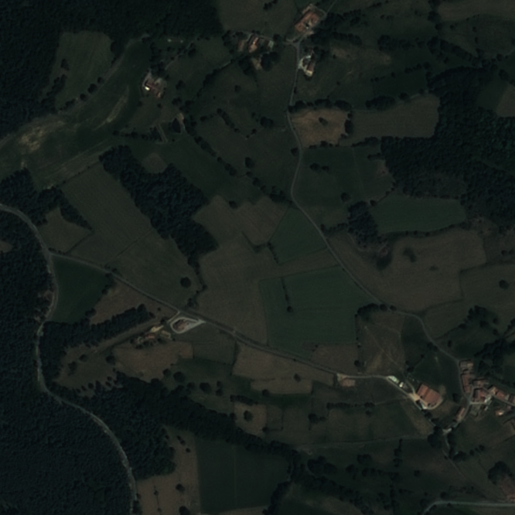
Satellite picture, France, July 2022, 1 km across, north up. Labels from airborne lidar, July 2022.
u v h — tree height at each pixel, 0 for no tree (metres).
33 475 23
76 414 23
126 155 15
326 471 25
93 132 0
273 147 0
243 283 0
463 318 0
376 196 0
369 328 0
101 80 10
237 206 14
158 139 14
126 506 20
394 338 0
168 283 0
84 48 0
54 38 10
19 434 23
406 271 0
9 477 21
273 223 0
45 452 25
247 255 0
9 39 13
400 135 0
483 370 7
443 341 0
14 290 12
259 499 0
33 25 8
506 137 15
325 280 0
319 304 0
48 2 8
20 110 22
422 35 0
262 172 0
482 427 0
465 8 0
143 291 0
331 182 0
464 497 0
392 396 0
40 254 10
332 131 0
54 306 0
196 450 0
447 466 0
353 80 0
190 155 0
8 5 12
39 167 0
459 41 0
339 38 12
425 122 0
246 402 14
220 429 24
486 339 0
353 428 0
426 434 0
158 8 16
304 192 0
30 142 0
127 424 21
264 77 0
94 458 23
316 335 0
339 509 0
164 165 0
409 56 0
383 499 12
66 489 16
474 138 16
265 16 0
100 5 19
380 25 0
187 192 17
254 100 0
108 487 16
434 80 15
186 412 21
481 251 0
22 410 21
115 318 14
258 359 0
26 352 26
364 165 0
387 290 0
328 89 0
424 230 0
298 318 0
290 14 0
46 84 11
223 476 0
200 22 20
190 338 0
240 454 0
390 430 0
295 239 0
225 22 0
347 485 0
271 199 9
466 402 0
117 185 0
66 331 22
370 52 0
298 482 15
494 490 0
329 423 0
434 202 0
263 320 0
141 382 21
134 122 0
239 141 0
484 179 17
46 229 0
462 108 19
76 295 0
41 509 15
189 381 0
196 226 17
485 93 0
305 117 0
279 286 0
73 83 0
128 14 17
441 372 0
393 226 0
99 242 0
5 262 8
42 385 0
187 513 21
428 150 19
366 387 0
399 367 0
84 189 0
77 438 20
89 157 0
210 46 0
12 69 12
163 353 0
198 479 0
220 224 0
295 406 0
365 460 18
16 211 0
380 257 0
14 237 14
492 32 0
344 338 0
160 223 29
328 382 0
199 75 0
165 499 0
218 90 0
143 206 19
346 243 0
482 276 0
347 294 0
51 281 17
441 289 0
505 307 0
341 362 0
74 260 0
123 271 0
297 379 11
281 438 0
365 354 0
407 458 0
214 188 0
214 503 0
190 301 7
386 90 0
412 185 7
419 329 0
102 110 0
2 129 21
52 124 0
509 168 17
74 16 9
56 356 20
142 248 0
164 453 20
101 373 0
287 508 0
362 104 0
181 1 16
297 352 0
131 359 0
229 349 0
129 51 0
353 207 11
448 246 0
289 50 0
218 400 0
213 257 0
